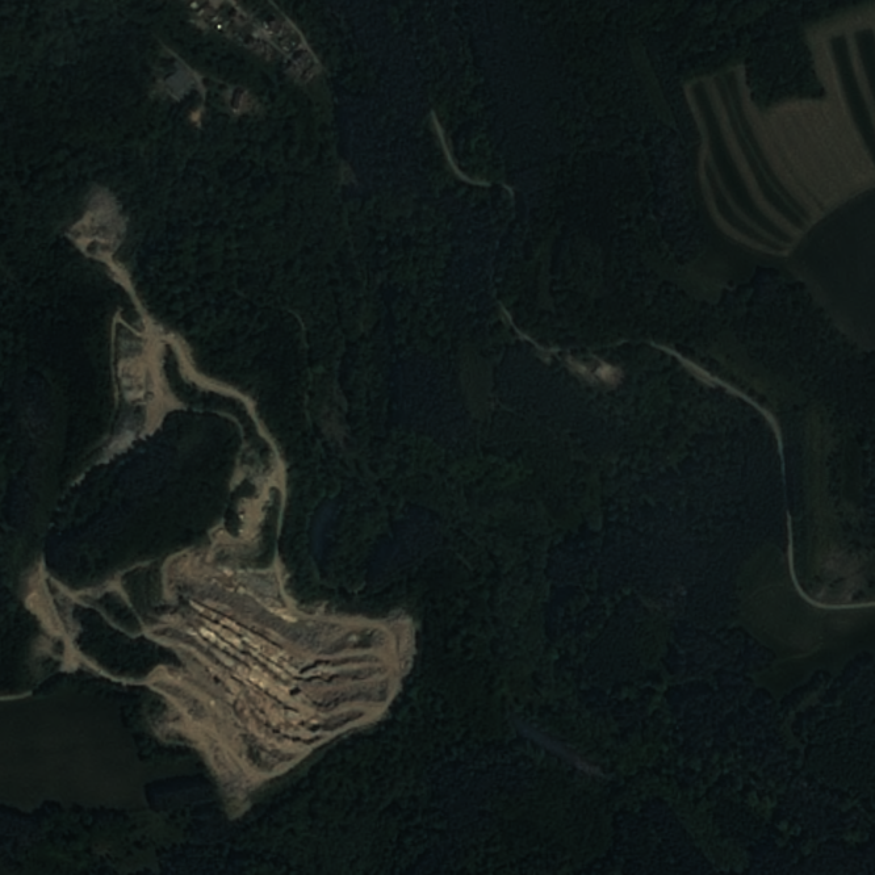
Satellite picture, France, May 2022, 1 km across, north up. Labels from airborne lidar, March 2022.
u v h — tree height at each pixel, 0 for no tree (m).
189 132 18
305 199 16
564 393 17
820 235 0
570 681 14
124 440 0
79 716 0
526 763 24
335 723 0
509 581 27
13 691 10
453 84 20
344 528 14
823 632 0
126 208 8
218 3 0
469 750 28
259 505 0
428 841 22
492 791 22
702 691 32
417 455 22
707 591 21
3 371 30
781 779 31
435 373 30
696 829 28
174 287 26
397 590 10
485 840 7
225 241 27
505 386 15
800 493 18
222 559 0
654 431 19
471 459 28
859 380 19
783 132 0
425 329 28
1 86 12
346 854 20
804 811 30
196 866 20
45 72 20
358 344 23
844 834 33
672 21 16
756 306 18
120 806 0
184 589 7
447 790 27
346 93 35
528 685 0
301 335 7
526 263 13
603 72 10
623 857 18
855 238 0
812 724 10
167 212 20
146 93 12
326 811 23
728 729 28
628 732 28
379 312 7
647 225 13
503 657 27
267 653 0
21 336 17
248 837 15
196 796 26
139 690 7
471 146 16
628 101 11
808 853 38
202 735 0
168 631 0
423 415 31
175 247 18
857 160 0
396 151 31
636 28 11
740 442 21
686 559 32
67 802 0
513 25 16
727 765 35
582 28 12
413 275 23
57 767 0
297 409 17
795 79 13
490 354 17
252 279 28
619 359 19
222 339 12
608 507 16
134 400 0
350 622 0
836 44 0
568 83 18
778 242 0
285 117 7
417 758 8
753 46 14
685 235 20
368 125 32
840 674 0
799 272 0
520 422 11
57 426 0
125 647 12
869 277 0
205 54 9
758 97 12
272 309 8
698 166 0
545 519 22
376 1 32
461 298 26
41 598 0
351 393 26
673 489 28
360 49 22
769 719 33
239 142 17
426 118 25
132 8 9
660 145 16
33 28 21
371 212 18
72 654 0
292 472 9
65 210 25
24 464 30
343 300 18
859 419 16
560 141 22
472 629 23
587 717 23
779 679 0
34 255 17
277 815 28
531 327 15
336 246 19
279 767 0
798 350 17
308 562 26
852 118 0
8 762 0
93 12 23
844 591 0
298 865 8
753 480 21
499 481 25
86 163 15
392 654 0
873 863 38
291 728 0
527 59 19
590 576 33
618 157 17
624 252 16
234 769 0
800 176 0
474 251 20
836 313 0
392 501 22
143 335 0
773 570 0
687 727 33
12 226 16
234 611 0
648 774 23
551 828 11
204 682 0
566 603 33
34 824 26
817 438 0
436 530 32
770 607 0
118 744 0
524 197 27
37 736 0
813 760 13
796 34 18
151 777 0
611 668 20
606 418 15
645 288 22
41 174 20
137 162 16
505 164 18
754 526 21
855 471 0
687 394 21
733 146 0
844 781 9
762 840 16
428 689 14
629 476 26
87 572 28
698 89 0
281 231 17
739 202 0
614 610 12
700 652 34
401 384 31
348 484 16
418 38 29
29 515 32
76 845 30
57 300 8
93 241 0
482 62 21
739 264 0
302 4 20
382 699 0
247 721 0
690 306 9
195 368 0
